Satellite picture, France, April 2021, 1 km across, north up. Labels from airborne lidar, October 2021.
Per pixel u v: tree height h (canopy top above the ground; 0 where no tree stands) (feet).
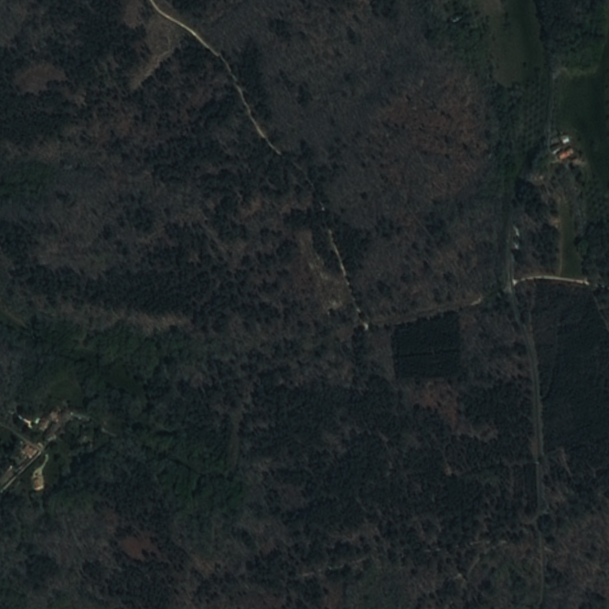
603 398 37
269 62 31
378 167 29
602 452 62
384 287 23
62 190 40
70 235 31
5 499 26
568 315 33
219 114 55
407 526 45
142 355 70
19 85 0
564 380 32
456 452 49
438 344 50
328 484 63
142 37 35
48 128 70
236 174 29
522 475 32
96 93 32
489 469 40
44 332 70
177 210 27
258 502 54
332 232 56
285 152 27
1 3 43
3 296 56
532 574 61
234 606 35
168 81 48
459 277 41
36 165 52
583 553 40
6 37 35
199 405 59
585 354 40
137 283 53
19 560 60
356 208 23
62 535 69
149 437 60
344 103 49
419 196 40
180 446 72
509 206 26
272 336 42
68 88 49
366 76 52
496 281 47
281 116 46
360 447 83
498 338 39
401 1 52
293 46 35
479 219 66
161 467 57
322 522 71
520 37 0
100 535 39
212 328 37
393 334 51
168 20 0
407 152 44
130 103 44
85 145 60
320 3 49
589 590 34
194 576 55
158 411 62
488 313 27
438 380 47
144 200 35
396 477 59
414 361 52
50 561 59
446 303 39
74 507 71
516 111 79
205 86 25
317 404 68
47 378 66
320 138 48
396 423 66
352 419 51
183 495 63
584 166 0
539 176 73
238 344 31
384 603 49
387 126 23
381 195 36
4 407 62
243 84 27
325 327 49
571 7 85
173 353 57
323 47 31
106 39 45
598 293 34
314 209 19
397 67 56
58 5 53
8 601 75
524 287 43
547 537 84
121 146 65
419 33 61
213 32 35
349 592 66
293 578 60
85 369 78
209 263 63
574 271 0
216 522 52
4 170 54
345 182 42
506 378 34
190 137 36
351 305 28
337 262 41
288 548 34
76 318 61
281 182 67
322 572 35
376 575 60
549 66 61
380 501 56
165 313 59
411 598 19
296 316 48
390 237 56
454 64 29
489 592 93
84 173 42
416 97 26
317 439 65
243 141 47
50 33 33
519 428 47
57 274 31
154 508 62
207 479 39
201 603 45
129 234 53
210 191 33
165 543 68
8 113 66
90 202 37
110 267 42
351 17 38
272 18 42
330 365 37
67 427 21
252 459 59
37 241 26
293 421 72
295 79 42
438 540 38
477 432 49
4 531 69
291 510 25
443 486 59
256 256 20
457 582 47
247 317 68
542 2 84
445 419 34
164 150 46
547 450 25
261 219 44
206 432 89
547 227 35
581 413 39
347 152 63
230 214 76
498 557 54
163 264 53
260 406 68
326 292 43
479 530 79
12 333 61
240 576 55
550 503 46
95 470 83
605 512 64
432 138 20
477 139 30
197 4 46
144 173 48
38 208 53
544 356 23
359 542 29
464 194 45
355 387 42
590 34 58
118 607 52
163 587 70
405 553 27
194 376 38
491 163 62
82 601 73
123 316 35
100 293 43
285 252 54
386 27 59
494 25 0
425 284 55
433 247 86
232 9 23
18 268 68
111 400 55
